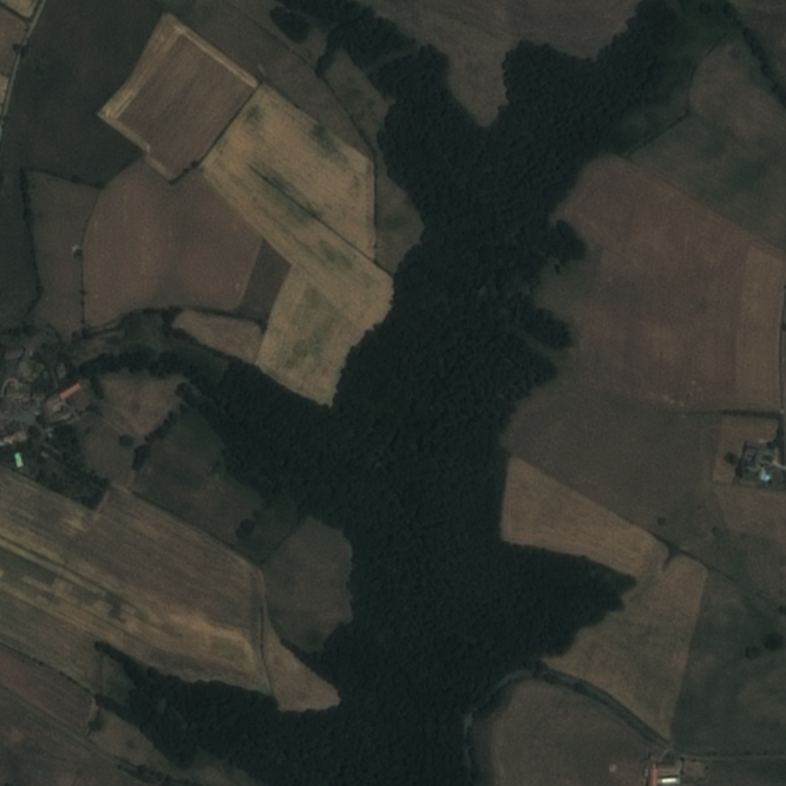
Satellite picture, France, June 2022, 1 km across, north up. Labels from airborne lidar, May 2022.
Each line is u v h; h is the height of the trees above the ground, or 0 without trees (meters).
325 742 20
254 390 17
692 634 0
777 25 0
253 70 0
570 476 0
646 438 0
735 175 0
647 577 0
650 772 0
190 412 16
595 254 0
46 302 0
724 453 0
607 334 0
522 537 0
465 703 15
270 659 0
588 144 17
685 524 0
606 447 0
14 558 0
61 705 0
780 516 0
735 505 0
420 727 15
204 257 0
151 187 0
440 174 18
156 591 0
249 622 0
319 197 0
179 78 0
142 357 18
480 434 20
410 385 19
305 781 17
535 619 13
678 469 0
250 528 14
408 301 19
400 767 13
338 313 0
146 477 0
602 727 0
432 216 17
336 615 0
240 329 0
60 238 0
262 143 0
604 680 0
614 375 0
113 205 0
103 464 0
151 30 0
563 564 12
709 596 0
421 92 18
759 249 0
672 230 0
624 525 0
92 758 0
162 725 13
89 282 0
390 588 22
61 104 0
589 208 0
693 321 0
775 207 0
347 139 0
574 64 17
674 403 0
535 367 21
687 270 0
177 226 0
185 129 0
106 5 0
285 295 0
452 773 16
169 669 0
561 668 0
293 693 0
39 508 0
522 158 18
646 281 0
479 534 13
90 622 0
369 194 0
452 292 25
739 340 0
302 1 13
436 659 18
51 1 0
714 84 0
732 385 0
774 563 0
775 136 0
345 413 17
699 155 0
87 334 15
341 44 19
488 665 13
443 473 13
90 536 0
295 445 12
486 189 20
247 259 0
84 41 0
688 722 0
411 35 0
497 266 18
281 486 14
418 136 16
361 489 15
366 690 21
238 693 13
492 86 0
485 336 24
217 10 0
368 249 0
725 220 0
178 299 0
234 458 14
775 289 0
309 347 0
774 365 0
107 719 0
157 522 0
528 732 0
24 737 0
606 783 0
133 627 0
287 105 0
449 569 10
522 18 0
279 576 0
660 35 13
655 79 25
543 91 21
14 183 0
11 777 0
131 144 0
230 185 0
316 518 9
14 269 0
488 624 16
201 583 0
